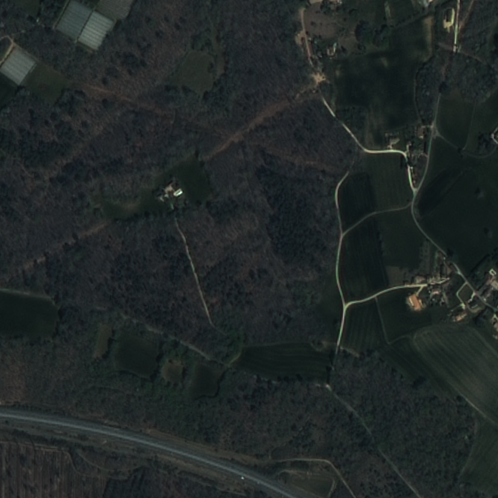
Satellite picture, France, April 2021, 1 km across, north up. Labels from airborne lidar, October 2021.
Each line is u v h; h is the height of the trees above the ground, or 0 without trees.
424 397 19
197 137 14
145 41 14
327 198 19
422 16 8
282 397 15
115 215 0
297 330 10
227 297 13
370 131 0
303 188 21
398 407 20
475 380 0
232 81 20
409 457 22
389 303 0
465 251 0
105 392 17
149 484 10
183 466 0
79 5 0
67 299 20
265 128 8
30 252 11
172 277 8
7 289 15
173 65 18
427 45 0
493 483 0
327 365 0
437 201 0
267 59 13
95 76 19
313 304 13
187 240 8
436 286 0
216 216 17
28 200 15
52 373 17
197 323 10
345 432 19
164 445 0
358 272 0
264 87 13
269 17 22
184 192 8
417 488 15
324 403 17
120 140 12
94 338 18
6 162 18
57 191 28
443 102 0
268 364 0
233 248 8
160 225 13
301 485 0
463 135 0
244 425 11
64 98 14
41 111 12
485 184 0
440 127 0
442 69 20
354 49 0
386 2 0
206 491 14
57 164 12
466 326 0
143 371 0
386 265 0
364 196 0
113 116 15
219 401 12
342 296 0
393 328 0
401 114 0
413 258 0
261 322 13
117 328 20
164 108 12
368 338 0
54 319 0
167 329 17
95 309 14
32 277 10
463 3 13
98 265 15
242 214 20
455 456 18
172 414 21
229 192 22
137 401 19
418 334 0
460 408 15
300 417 6
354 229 0
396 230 0
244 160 12
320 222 20
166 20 14
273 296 12
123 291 14
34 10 0
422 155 8
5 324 0
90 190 11
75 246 15
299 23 0
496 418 0
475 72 22
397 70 0
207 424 14
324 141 18
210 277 11
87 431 0
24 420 0
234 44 23
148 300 12
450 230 0
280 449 7
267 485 0
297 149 11
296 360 0
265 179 26
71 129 24
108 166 11
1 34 20
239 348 19
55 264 19
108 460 11
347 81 0
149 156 7
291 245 27
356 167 14
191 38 20
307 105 14
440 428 18
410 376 0
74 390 16
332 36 0
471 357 0
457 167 0
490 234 16
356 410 17
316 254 23
